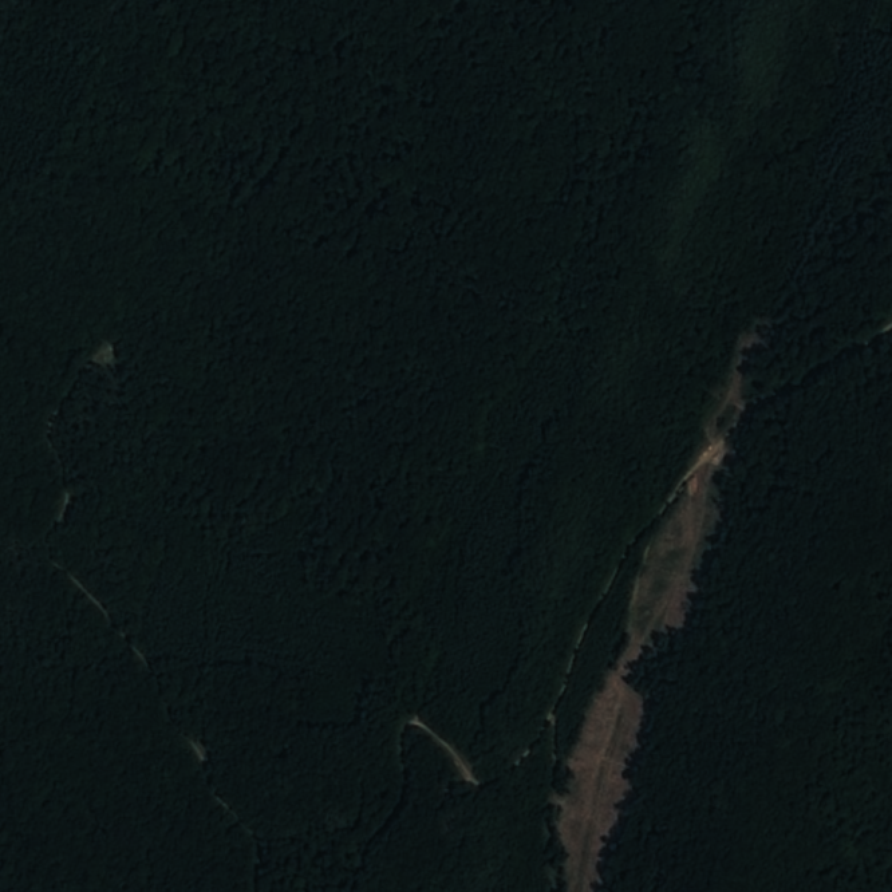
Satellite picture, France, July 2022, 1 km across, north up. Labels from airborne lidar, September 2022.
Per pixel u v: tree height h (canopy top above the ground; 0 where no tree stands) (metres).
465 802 21
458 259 27
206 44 22
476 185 21
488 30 20
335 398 24
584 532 11
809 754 24
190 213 21
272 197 27
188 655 8
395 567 26
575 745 19
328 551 19
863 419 18
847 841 23
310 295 20
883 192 23
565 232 21
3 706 19
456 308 24
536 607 14
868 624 22
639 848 23
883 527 24
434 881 12
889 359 21
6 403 14
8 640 13
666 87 22
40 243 16
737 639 17
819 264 31
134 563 10
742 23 5
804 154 26
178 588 10
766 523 21
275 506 20
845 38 22
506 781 17
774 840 15
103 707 27
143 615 9
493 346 24
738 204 23
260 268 23
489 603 10
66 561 15
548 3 26
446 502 8
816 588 19
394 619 22
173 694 23
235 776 20
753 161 24
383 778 16
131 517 14
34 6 12
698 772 24
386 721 22
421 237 28
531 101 19
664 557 0
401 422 25
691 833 18
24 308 17
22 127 11
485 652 10
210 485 26
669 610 0
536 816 13
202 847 28
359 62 25
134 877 29
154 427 18
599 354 14
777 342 25
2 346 19
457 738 11
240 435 24
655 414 21
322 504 23
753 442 25
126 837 27
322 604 9
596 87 24
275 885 20
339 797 20
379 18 19
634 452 22
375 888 19
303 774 16
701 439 7
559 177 13
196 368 19
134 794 21
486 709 20
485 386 19
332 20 19
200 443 19
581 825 0
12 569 15
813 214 18
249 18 17
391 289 22
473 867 10
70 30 10
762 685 18
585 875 0
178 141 21
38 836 18
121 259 15
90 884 26
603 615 13
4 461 16
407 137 26
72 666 10
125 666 21
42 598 18
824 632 19
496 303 28
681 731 22
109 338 15
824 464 21
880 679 9
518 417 11
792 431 25
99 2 11
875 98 27
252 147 17
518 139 12
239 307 21
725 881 18
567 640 21
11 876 22
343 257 26
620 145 12
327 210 26
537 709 12
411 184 24
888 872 7
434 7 21
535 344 20
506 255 24
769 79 9
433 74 19
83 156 18
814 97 23
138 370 14
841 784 16
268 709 15
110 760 20
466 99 22
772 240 25
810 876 25
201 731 15
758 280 13
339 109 17
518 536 10
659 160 24
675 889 19
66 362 17
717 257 21
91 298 15
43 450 15
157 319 17
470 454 13
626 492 25
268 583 10
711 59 26
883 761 15
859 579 23
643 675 12
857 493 20
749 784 17
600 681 14
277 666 10
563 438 20
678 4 21
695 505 0
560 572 8
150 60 22
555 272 22
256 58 15
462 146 19
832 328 25
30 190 15
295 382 21
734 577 19
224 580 7
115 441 12
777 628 16
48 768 23
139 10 17
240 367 22
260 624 6
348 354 20
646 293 16
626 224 23
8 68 11
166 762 23
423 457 21
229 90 16
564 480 21
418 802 22
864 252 25
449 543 9
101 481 17
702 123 7
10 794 22
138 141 20
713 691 24
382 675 7
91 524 18
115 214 17
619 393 13
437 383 24
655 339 12
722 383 10
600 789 0
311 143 23
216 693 19
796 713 21
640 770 26
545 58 26
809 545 17
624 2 22
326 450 26
